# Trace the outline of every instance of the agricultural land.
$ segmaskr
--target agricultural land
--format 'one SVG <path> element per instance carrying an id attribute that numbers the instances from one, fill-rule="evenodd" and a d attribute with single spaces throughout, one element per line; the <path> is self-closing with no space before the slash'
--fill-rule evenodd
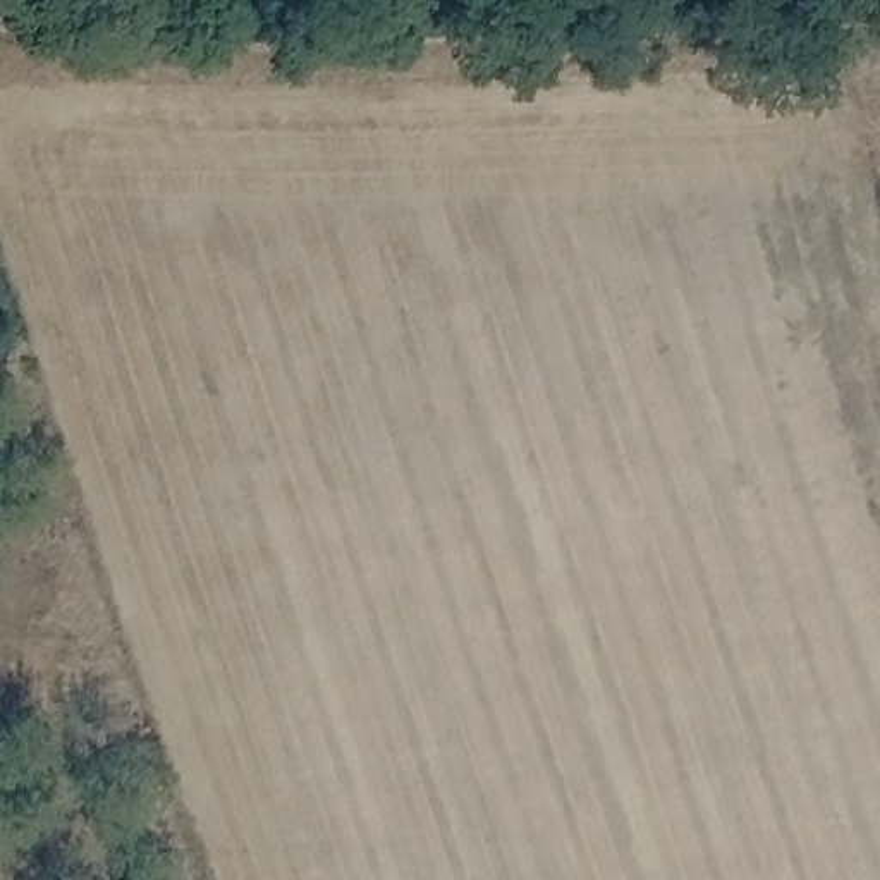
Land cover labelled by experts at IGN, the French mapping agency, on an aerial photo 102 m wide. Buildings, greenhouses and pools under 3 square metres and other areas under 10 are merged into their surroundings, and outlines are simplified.
<path id="1" fill-rule="evenodd" d="M 96 547 L 110 574 L 120 622 L 141 667 L 151 698 L 151 718 L 162 739 L 165 756 L 179 777 L 179 794 L 186 808 L 206 846 L 213 880 L 880 880 L 880 217 L 873 186 L 849 172 L 856 148 L 856 120 L 849 89 L 839 86 L 839 103 L 822 113 L 770 113 L 760 103 L 736 103 L 725 96 L 725 103 L 715 103 L 688 93 L 663 93 L 657 83 L 633 83 L 629 89 L 598 89 L 591 83 L 588 89 L 571 89 L 557 79 L 557 86 L 550 89 L 536 89 L 533 100 L 516 100 L 516 89 L 502 83 L 474 86 L 464 79 L 457 86 L 437 86 L 433 72 L 423 72 L 416 65 L 402 72 L 323 65 L 313 69 L 299 86 L 282 83 L 241 83 L 230 65 L 206 76 L 196 72 L 186 86 L 138 86 L 131 76 L 72 76 L 52 89 L 24 83 L 0 89 L 0 251 L 10 285 L 21 299 L 28 337 L 34 340 L 34 358 L 52 395 L 52 419 L 65 440 L 65 454 L 79 478 L 86 516 L 96 529 Z"/>

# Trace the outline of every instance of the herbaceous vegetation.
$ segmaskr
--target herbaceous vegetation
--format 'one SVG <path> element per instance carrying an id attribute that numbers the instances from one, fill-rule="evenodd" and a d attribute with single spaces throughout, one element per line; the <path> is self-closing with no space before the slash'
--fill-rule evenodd
<path id="1" fill-rule="evenodd" d="M 272 69 L 272 45 L 265 41 L 244 45 L 230 58 L 230 65 L 241 83 L 282 83 Z"/>
<path id="2" fill-rule="evenodd" d="M 14 877 L 0 873 L 0 880 L 113 880 L 107 859 L 83 863 L 79 856 L 72 856 L 72 832 L 55 832 L 34 849 L 21 849 L 14 856 Z"/>
<path id="3" fill-rule="evenodd" d="M 873 186 L 880 217 L 880 45 L 859 45 L 863 58 L 839 69 L 839 86 L 849 89 L 856 120 L 856 148 L 849 172 Z"/>
<path id="4" fill-rule="evenodd" d="M 591 76 L 574 62 L 574 52 L 560 55 L 557 79 L 571 89 L 588 89 L 591 83 Z"/>
<path id="5" fill-rule="evenodd" d="M 694 48 L 670 55 L 657 83 L 663 93 L 688 93 L 715 103 L 725 103 L 725 96 L 705 76 L 708 65 L 715 65 L 718 58 Z"/>
<path id="6" fill-rule="evenodd" d="M 0 89 L 24 83 L 52 89 L 72 76 L 55 58 L 31 58 L 14 41 L 7 24 L 0 24 Z"/>
<path id="7" fill-rule="evenodd" d="M 213 880 L 206 846 L 186 808 L 158 822 L 155 828 L 155 835 L 168 835 L 172 880 Z"/>
<path id="8" fill-rule="evenodd" d="M 41 464 L 52 464 L 52 474 L 45 498 L 24 512 L 28 526 L 17 526 L 7 536 L 0 536 L 0 739 L 10 725 L 24 722 L 38 708 L 48 718 L 48 725 L 62 732 L 69 777 L 86 777 L 96 763 L 117 756 L 124 746 L 148 746 L 162 739 L 151 718 L 151 698 L 141 667 L 120 622 L 110 574 L 96 547 L 96 529 L 86 516 L 79 478 L 65 454 L 65 440 L 52 419 L 52 395 L 34 358 L 34 340 L 28 337 L 17 340 L 7 358 L 17 430 L 7 437 L 3 447 L 17 457 L 28 454 Z"/>
<path id="9" fill-rule="evenodd" d="M 437 86 L 457 86 L 464 79 L 443 34 L 423 41 L 423 55 L 416 58 L 416 65 L 423 72 L 433 72 Z"/>
<path id="10" fill-rule="evenodd" d="M 138 86 L 186 86 L 196 72 L 158 62 L 131 76 Z"/>

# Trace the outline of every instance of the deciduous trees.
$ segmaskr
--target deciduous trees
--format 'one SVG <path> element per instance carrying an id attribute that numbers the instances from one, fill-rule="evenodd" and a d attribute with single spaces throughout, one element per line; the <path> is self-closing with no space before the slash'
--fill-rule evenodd
<path id="1" fill-rule="evenodd" d="M 10 285 L 0 251 L 0 536 L 7 536 L 17 526 L 28 526 L 24 512 L 45 498 L 52 474 L 52 464 L 41 464 L 28 454 L 17 457 L 3 447 L 7 437 L 17 430 L 7 358 L 17 340 L 28 337 L 21 299 Z"/>
<path id="2" fill-rule="evenodd" d="M 158 62 L 196 72 L 206 76 L 230 65 L 230 58 L 244 45 L 265 41 L 272 45 L 272 69 L 282 83 L 299 86 L 313 69 L 323 65 L 402 72 L 416 65 L 416 58 L 423 55 L 423 41 L 443 34 L 464 79 L 474 86 L 502 83 L 516 89 L 516 100 L 533 100 L 536 89 L 550 89 L 557 86 L 557 79 L 560 55 L 574 52 L 574 62 L 591 76 L 591 83 L 598 89 L 629 89 L 633 83 L 657 83 L 670 55 L 694 48 L 718 58 L 715 65 L 708 65 L 705 76 L 725 96 L 736 103 L 760 103 L 770 113 L 822 113 L 839 103 L 839 86 L 839 69 L 863 58 L 859 45 L 880 45 L 880 0 L 0 0 L 0 24 L 7 24 L 14 41 L 31 58 L 55 58 L 72 76 L 131 76 Z"/>
<path id="3" fill-rule="evenodd" d="M 172 880 L 168 835 L 155 835 L 155 828 L 158 822 L 186 808 L 179 794 L 179 777 L 165 756 L 162 739 L 148 746 L 124 746 L 117 756 L 96 763 L 86 777 L 69 777 L 62 732 L 48 725 L 48 718 L 38 708 L 24 722 L 10 725 L 0 739 L 0 873 L 14 877 L 14 856 L 21 849 L 34 849 L 55 832 L 72 832 L 72 856 L 79 856 L 83 863 L 107 859 L 113 880 Z"/>

